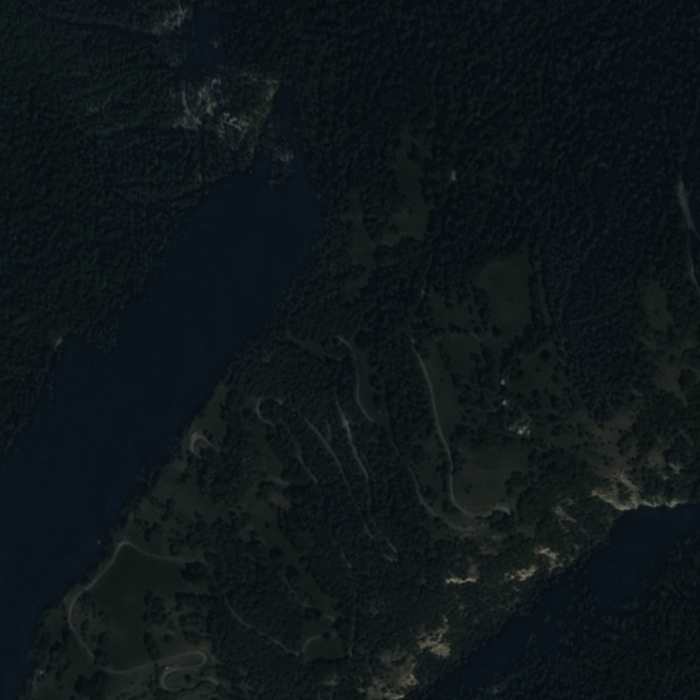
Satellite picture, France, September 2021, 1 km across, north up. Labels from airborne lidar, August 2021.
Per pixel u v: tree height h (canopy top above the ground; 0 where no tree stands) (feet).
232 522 30
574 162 58
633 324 56
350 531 43
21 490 47
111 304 54
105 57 30
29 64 37
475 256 56
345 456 34
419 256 56
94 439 48
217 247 63
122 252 49
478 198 33
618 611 54
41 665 25
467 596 43
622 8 71
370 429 27
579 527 35
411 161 43
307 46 20
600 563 32
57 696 0
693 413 34
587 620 40
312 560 44
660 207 57
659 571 75
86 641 29
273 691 20
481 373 30
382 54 96
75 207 50
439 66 77
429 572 54
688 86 60
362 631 30
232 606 45
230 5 83
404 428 39
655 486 30
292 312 45
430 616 31
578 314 53
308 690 26
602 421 30
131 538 0
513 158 29
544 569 31
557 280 46
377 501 27
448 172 61
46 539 39
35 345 21
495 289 0
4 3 30
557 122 39
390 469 33
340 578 39
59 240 47
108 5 22
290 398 29
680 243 53
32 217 73
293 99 52
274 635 30
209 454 45
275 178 29
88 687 47
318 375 46
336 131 82
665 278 50
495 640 73
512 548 24
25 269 52
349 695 32
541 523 21
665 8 85
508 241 55
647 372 56
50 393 43
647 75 37
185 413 40
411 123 64
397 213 51
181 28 20
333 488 58
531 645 31
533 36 67
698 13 47
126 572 0
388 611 35
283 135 22
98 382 37
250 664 31
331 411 34
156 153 32
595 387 62
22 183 48
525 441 29
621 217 69
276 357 36
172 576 0
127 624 0
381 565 58
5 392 46
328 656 0
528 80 90
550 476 31
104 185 42
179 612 36
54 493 31
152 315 65
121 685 0
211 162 50
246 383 20
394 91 69
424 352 33
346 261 46
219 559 37
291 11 93
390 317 56
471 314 23
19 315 31
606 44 57
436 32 70
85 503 41
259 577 42
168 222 51
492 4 110
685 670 62
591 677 37
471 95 72
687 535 31
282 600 39
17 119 59
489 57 73
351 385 52
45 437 41
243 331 50
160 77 31
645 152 105
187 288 61
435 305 0
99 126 28
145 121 27
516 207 53
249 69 45
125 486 36
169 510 27
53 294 52
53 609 37
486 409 46
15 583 22
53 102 40
